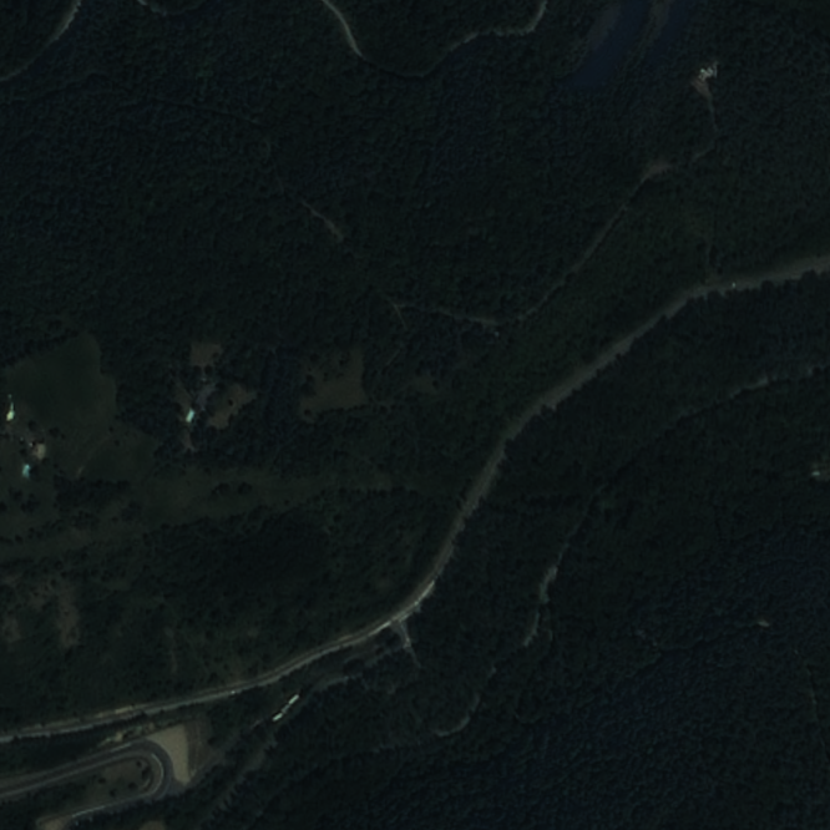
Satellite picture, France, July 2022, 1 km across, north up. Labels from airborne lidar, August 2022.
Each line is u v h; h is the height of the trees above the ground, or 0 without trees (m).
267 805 13
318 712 25
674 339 25
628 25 0
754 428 19
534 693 16
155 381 14
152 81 21
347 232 7
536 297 13
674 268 13
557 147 30
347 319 16
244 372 12
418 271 14
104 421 0
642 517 29
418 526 10
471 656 28
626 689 12
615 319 15
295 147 25
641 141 16
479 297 8
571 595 27
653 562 34
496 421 17
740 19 19
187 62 23
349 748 14
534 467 9
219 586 8
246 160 10
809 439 18
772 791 18
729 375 21
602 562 22
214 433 19
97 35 16
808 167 18
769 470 13
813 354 12
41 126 25
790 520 27
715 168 15
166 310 12
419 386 0
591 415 19
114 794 9
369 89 22
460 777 25
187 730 0
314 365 9
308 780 24
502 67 22
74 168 18
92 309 13
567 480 17
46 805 10
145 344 8
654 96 16
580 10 8
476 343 13
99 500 7
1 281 17
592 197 14
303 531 14
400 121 23
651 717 28
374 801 28
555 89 19
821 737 13
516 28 12
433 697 23
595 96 8
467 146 19
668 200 7
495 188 16
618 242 6
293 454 14
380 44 22
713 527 30
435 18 27
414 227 14
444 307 13
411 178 17
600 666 30
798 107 16
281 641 6
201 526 7
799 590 29
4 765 8
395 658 9
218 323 10
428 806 24
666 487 27
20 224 20
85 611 10
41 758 11
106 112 16
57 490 8
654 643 22
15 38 20
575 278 7
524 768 19
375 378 11
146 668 7
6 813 7
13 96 7
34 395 0
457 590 17
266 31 18
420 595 0
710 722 15
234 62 18
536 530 20
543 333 8
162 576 5
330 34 21
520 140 21
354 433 9
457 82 22
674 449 21
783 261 10
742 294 14
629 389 13
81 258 13
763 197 13
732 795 19
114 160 14
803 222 15
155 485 0
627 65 10
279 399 23
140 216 9
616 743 19
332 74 15
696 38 17
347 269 19
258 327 13
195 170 8
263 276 17
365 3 23
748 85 21
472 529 19
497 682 24
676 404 20
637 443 18
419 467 12
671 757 27
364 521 11
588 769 21
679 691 22
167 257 15
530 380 16
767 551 22
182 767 0
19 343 16
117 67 19
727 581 24
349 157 23
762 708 20
